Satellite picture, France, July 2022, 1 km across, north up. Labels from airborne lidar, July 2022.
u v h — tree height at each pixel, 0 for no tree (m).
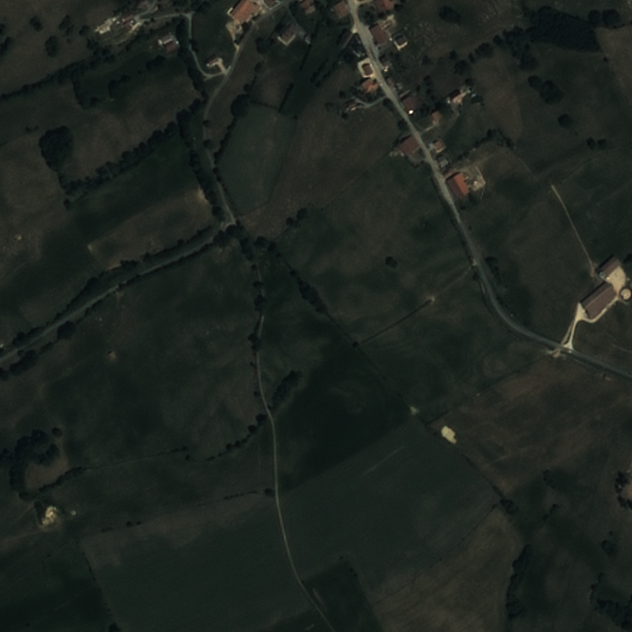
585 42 15
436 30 0
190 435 0
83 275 0
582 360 0
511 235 0
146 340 0
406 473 0
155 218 0
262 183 0
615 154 0
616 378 0
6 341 0
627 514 0
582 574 0
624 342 0
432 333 0
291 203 0
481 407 0
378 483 0
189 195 0
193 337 0
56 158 23
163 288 0
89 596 0
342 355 0
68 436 0
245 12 0
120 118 0
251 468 0
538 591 0
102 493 0
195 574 0
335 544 0
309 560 0
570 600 0
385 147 0
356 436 0
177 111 0
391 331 0
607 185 0
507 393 0
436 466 0
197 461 0
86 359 0
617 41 0
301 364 0
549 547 0
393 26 0
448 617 0
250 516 0
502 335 0
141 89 0
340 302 0
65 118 0
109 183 20
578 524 0
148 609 0
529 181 0
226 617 0
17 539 0
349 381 0
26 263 0
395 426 0
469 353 0
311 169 0
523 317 0
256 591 0
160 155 0
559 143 0
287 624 0
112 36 0
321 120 0
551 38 17
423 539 0
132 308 0
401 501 0
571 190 0
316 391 0
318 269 0
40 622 0
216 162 7
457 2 0
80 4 0
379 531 0
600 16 18
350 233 0
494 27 0
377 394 0
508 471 0
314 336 0
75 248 0
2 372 16
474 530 0
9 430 0
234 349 0
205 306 0
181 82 0
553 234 0
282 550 0
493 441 0
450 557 0
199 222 0
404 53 0
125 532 0
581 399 0
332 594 0
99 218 0
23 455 21
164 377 0
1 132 0
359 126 0
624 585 0
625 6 0
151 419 0
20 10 0
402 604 0
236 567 0
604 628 0
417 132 0
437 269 0
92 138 0
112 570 0
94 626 0
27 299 0
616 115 0
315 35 7
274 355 0
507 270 0
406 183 0
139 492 0
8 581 0
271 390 0
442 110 23
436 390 0
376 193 0
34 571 0
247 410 0
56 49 7
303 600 0
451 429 0
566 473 0
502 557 0
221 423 0
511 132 0
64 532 0
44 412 0
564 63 0
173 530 0
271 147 0
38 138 0
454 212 0
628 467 0
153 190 0
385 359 0
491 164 0
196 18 0
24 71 0
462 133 0
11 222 0
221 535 0
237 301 0
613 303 0
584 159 0
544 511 0
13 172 0
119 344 0
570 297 0
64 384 0
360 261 0
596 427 0
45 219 0
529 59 24
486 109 0
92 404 0
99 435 0
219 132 0
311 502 0
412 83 0
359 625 0
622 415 0
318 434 0
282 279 0
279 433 0
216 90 0
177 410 0
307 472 0
